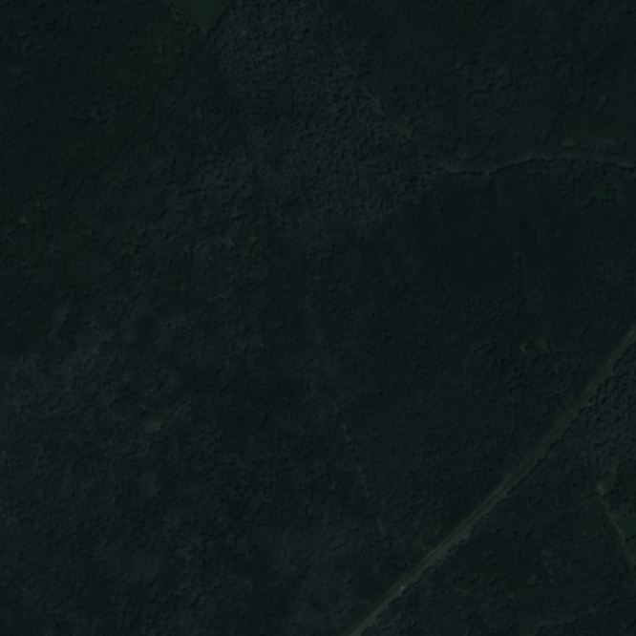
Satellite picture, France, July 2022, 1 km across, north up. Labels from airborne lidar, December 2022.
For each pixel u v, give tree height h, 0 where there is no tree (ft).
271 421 70
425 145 76
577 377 41
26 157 73
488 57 62
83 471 61
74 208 55
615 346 52
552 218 68
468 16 76
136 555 53
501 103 95
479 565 53
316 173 93
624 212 64
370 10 63
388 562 42
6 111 76
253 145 64
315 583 53
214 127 53
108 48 77
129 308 53
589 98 56
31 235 68
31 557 64
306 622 51
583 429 69
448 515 52
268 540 53
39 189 73
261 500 45
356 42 72
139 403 58
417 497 46
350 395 74
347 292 74
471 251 65
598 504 45
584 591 46
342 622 29
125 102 74
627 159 70
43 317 60
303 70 65
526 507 30
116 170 52
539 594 35
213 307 61
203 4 0
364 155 66
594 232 59
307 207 90
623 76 57
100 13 77
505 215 71
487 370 57
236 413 74
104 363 57
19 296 55
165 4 66
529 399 58
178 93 63
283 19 115
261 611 70
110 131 74
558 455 66
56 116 79
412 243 76
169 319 58
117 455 49
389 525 44
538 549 45
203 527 56
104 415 63
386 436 56
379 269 76
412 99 19
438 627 46
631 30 79
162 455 54
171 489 67
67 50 86
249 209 64
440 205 58
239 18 73
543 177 68
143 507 52
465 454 60
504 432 56
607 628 46
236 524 61
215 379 60
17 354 56
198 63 67
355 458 48
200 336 62
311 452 59
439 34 59
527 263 78
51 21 70
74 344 51
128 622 52
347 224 76
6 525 54
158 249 63
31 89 81
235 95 83
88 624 66
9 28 82
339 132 63
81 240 55
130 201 78
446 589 38
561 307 65
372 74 61
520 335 59
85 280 69
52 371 48
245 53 106
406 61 79
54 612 63
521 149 63
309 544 48
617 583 53
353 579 21
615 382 68
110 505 43
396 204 93
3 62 86
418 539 35
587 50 65
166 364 63
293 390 81
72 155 76
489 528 52
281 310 66
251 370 66
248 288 56
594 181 53
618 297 42
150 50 67
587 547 50
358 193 95
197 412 51
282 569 48
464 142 65
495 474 55
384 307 66
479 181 55
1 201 76
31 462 32
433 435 42
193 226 58
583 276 62
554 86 86
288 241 76
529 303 68
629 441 77
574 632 31
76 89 77
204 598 58
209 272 49
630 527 0
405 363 75
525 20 83
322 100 69
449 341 60
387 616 38
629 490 48
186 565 43
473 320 60
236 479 51
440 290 73
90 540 63
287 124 77
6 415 51
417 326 64
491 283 72
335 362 62
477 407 56
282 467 59
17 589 52
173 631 44
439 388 54
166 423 33
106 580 59
